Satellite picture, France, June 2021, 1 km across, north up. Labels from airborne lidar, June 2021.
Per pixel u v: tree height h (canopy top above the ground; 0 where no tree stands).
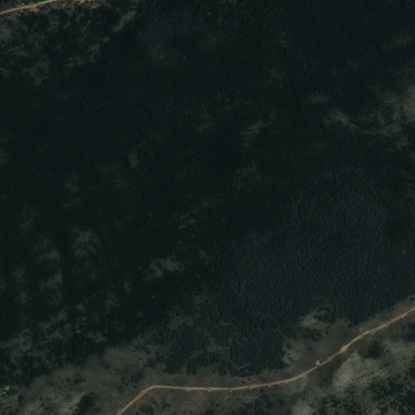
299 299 11
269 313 8
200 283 8
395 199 10
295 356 0
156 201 9
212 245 9
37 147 5
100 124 9
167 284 8
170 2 10
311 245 10
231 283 12
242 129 8
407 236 11
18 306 6
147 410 6
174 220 7
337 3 9
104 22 8
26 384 6
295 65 9
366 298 10
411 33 7
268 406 6
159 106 9
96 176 7
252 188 9
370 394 0
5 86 6
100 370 0
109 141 10
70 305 7
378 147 7
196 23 12
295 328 5
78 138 6
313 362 0
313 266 9
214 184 7
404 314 0
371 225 7
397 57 6
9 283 6
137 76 7
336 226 10
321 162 7
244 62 10
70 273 6
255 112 8
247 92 10
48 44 7
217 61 10
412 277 11
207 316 10
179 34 15
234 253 11
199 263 7
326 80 10
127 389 0
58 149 8
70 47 8
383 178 7
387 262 10
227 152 9
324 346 0
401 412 9
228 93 8
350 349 0
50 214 8
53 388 0
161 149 7
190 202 8
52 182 6
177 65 9
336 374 0
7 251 9
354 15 7
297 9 9
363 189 10
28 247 6
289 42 7
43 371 6
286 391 0
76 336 10
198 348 7
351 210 12
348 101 8
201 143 7
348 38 11
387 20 10
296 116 15
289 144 9
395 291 12
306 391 0
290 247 12
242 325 7
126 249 8
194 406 0
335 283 11
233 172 9
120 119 9
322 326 0
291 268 12
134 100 8
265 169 9
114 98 9
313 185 8
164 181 8
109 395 0
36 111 7
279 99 11
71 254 6
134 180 8
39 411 0
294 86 13
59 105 7
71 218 7
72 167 7
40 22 8
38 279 6
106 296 5
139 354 0
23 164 7
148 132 8
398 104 0
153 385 0
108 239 6
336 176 9
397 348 0
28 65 6
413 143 7
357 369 0
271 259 12
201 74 10
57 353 7
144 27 9
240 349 6
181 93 7
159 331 6
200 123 6
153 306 8
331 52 8
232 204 7
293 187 10
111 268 5
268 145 11
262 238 16
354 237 9
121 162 6
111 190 6
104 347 6
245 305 8
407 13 10
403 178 9
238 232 10
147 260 6
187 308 6
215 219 11
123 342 6
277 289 13
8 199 6
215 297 10
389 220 14
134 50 10
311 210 9
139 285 7
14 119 8
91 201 7
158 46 7
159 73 8
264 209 7
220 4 7
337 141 9
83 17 8
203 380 0
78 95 6
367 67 7
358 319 9
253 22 10
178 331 6
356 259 11
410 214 10
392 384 6
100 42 5
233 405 0
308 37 6
